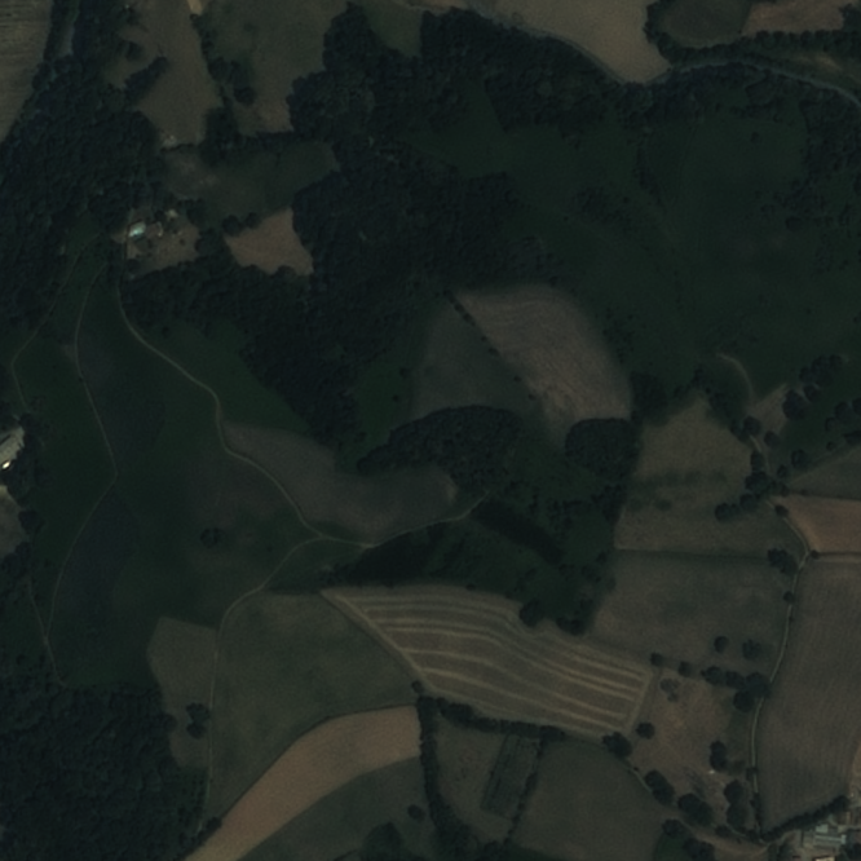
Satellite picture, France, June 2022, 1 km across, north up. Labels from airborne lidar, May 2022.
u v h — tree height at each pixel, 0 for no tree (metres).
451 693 0
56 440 7
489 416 20
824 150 9
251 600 0
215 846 0
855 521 0
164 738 10
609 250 0
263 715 0
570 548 0
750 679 10
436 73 20
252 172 0
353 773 0
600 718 0
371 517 0
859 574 0
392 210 25
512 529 7
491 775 7
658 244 0
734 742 0
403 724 0
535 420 0
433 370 0
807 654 0
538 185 0
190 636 0
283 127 0
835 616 0
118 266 8
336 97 21
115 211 18
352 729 0
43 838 19
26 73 0
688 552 0
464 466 24
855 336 0
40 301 15
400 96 23
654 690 0
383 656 0
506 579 0
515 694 0
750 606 0
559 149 0
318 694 0
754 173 0
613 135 0
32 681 11
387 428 0
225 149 25
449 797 0
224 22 0
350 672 0
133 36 0
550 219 0
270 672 0
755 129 0
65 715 15
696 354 0
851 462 0
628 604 0
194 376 0
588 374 0
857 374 0
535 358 0
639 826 0
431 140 0
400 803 0
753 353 0
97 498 0
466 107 13
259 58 0
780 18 0
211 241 15
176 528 0
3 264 21
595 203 8
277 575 0
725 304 0
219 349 0
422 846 0
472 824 0
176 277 18
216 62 19
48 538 0
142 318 12
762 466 14
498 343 0
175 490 0
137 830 18
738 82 20
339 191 24
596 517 0
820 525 0
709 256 0
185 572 0
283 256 0
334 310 18
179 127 0
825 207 12
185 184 0
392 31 0
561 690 0
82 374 0
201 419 0
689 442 0
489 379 0
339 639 0
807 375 17
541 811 0
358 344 19
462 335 0
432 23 22
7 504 0
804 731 0
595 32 0
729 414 6
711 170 0
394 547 6
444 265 13
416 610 0
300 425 0
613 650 0
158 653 0
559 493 0
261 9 0
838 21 0
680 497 0
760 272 0
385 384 0
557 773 0
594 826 0
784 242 0
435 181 14
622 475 24
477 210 15
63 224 19
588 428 18
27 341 0
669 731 0
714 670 12
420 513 0
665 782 10
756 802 13
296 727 0
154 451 0
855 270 0
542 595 0
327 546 0
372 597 0
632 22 0
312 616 0
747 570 0
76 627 0
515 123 17
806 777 0
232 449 0
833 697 0
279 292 16
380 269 20
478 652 0
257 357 12
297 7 0
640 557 0
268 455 0
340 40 21
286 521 0
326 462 0
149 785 16
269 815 0
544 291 0
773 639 0
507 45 20
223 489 0
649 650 0
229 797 0
